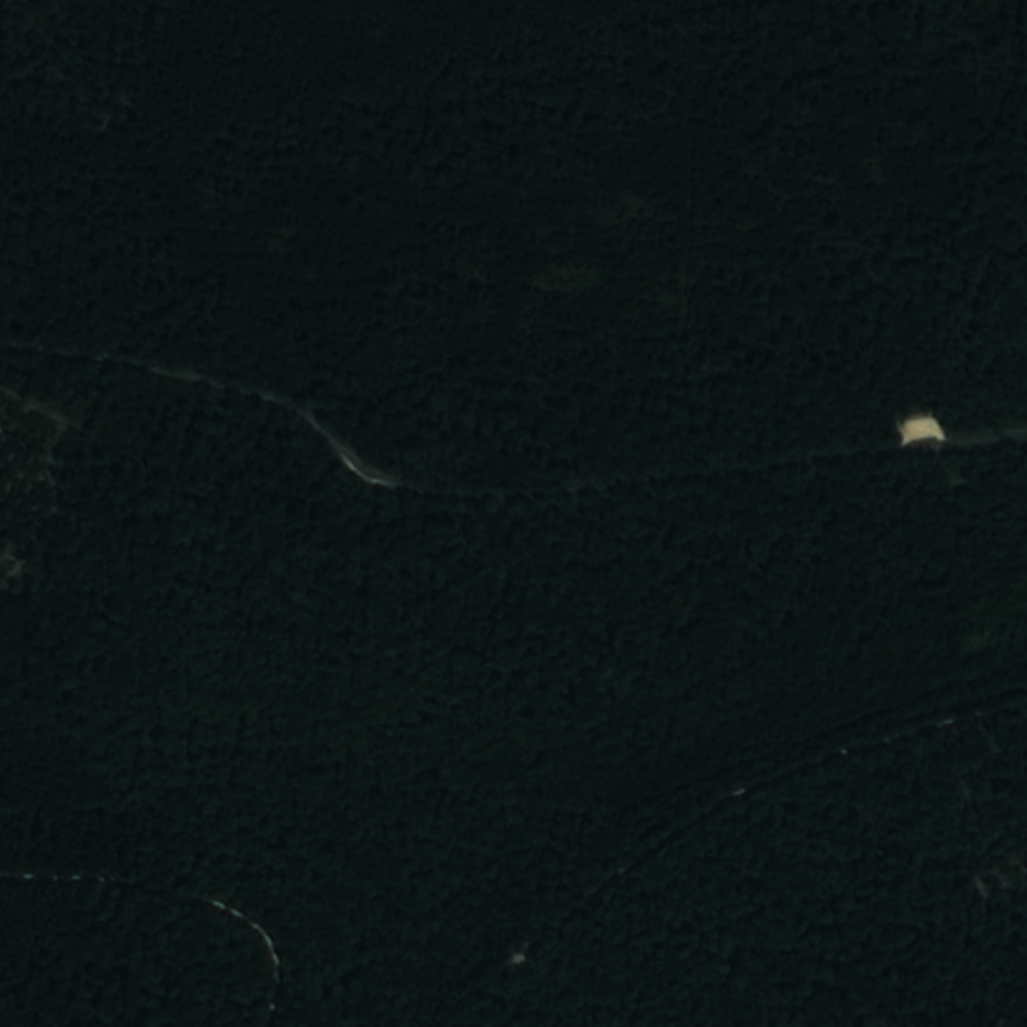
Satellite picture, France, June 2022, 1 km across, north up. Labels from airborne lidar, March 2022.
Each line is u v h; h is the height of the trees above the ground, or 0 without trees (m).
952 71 6
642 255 6
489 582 18
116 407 17
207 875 25
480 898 20
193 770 23
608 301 7
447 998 28
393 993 21
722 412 20
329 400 22
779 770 13
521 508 20
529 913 28
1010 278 24
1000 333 20
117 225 21
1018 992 25
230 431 29
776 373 19
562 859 32
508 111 20
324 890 23
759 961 24
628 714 22
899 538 21
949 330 21
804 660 17
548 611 22
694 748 9
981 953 23
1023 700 20
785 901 24
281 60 0
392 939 24
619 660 20
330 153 21
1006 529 16
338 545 22
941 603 19
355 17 0
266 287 9
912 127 23
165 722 18
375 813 21
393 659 23
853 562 17
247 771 23
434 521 26
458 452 22
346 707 23
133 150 11
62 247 23
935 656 17
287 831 26
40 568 23
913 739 18
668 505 20
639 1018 25
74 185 20
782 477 18
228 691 29
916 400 15
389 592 23
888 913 26
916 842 18
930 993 22
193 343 20
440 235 12
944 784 19
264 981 17
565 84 21
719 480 19
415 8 18
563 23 17
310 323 7
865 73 23
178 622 24
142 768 26
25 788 22
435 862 14
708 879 23
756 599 17
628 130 7
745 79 16
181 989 24
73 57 19
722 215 7
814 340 18
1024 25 23
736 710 18
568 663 22
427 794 21
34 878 0
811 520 24
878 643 16
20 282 21
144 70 25
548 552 21
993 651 18
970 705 20
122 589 24
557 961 23
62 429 0
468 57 20
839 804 21
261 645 24
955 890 23
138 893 23
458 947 24
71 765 21
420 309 23
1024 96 25
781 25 26
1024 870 0
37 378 21
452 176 20
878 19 23
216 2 0
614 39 20
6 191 20
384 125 19
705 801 20
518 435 17
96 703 22
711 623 21
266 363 17
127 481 26
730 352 19
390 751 21
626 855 27
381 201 18
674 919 21
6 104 21
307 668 23
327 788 24
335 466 21
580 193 5
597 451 22
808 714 19
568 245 6
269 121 13
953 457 18
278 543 23
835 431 20
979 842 26
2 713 19
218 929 27
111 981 27
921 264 20
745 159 0
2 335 18
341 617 24
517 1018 19
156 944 23
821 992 28
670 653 22
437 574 21
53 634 24
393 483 0
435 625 24
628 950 23
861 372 21
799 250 16
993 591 14
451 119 19
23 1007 20
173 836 26
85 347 17
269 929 14
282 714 22
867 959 25
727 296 16
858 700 22
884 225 6
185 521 23
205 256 9
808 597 18
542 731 24
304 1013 21
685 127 8
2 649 25
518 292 7
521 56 22
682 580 20
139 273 18
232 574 24
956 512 22
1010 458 20
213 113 0
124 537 22
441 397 21
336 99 23
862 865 24
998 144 22
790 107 23
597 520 18
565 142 13
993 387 19
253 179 19
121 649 22
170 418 18
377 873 22
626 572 22
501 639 21
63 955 30
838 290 19
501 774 22
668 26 20
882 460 19
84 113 27
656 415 21
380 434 21
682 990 22
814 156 8
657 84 7
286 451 25
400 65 20
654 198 7
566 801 23
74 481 24
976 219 24
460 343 7
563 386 20
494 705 22
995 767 22
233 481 24
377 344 18
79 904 23
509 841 19
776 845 18
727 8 22
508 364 17
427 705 27
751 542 23
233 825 20
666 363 20
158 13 26
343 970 0
